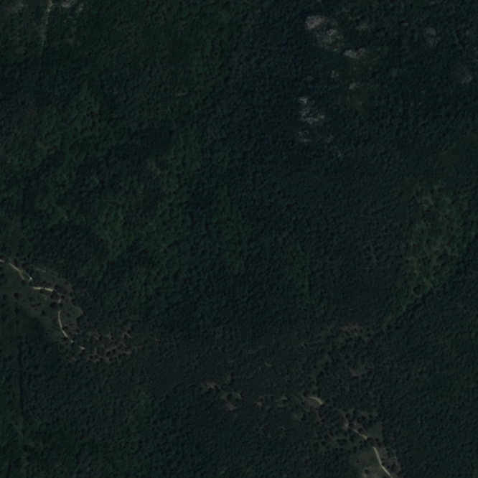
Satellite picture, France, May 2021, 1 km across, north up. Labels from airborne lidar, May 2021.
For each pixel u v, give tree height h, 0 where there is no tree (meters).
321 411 16
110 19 14
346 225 17
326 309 20
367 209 17
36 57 13
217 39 20
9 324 6
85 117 22
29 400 19
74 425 18
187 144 16
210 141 16
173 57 12
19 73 21
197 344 19
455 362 7
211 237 16
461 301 22
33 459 14
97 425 18
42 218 21
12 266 0
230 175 21
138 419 17
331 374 20
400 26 10
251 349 15
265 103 20
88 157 22
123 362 15
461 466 19
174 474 16
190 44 14
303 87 8
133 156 22
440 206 23
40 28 6
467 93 7
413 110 10
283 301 17
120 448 15
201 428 18
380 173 13
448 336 15
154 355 16
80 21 17
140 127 25
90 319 16
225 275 12
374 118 13
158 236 16
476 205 13
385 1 17
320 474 17
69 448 19
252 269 17
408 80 9
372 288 12
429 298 23
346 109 17
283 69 19
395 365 17
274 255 22
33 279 13
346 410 18
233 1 18
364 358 18
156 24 24
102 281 13
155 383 19
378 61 10
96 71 18
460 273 22
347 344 11
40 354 6
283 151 14
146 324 19
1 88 16
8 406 9
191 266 21
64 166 21
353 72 8
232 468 15
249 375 15
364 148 22
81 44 9
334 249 14
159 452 13
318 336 20
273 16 17
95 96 13
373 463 0
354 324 16
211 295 23
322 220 19
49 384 14
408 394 15
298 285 17
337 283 17
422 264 10
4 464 21
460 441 17
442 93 11
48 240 10
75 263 18
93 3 8
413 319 20
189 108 21
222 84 20
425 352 10
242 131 23
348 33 9
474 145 11
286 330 15
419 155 11
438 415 20
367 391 14
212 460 17
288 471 15
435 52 13
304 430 17
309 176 19
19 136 18
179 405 15
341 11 7
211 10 24
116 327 18
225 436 12
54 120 19
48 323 0
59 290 15
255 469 14
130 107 20
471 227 15
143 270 19
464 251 20
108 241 20
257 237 19
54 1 8
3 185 15
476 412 26
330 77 7
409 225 12
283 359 21
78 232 18
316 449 19
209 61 25
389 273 17
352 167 11
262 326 13
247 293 13
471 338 13
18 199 9
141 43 11
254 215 7
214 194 23
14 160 16
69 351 8
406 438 15
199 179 10
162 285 16
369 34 6
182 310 15
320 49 7
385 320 17
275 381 20
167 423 16
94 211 17
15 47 21
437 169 13
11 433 19
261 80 22
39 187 17
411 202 14
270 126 12
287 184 20
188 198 16
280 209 23
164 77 21
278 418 20
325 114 8
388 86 12
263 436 11
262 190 22
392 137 25
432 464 15
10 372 17
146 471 12
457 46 26
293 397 20
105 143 16
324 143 7
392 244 12
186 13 18
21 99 24
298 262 16
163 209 15
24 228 16
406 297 18
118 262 13
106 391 20
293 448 13
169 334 15
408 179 20
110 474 14
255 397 16
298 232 23
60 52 15
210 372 20
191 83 15
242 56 15
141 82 21
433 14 25
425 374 19
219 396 20
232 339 18
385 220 15
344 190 12
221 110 21
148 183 23
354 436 14
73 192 24
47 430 10
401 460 11
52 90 20
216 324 8
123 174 19
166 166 12
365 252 14
